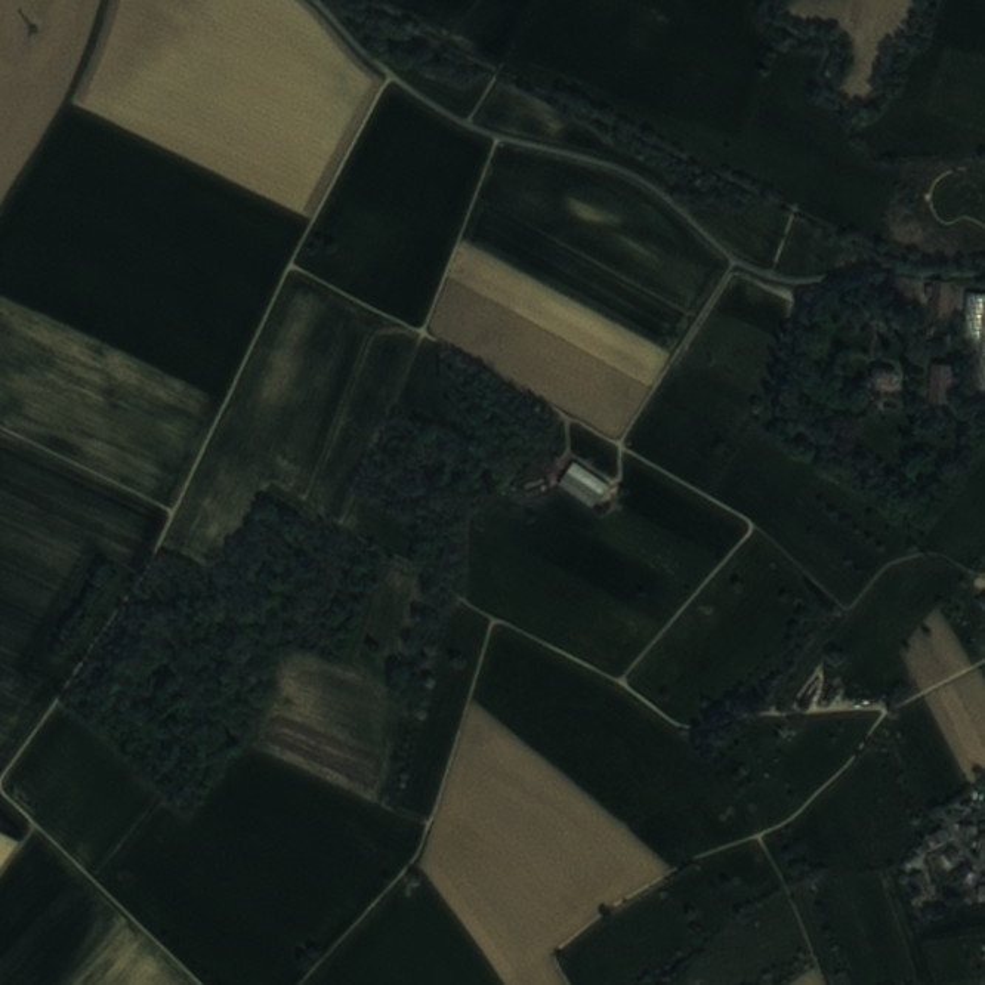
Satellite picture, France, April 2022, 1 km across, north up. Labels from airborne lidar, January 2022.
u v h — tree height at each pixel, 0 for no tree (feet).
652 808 0
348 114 0
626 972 0
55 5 0
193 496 0
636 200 0
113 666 97
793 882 39
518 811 0
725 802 0
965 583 25
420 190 0
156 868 0
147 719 93
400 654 0
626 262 0
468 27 0
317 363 0
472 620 0
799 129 0
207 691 104
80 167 0
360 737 0
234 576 91
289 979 0
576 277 0
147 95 0
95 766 0
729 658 0
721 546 0
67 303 0
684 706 0
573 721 0
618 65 0
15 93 0
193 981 0
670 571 0
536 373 0
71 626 51
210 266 0
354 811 0
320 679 0
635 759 0
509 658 0
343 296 0
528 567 0
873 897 0
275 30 0
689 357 0
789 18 40
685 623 0
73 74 0
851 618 0
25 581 0
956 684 0
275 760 0
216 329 0
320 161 0
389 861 0
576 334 0
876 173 0
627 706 0
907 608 0
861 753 24
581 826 0
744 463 0
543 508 0
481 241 0
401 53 77
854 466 92
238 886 0
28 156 0
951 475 62
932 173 0
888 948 0
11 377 0
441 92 0
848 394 58
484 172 0
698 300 0
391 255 0
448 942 0
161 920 0
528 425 96
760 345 0
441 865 0
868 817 0
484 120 0
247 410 0
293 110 0
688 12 0
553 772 0
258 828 0
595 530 0
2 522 0
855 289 68
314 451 0
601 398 0
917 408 54
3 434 0
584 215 0
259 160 0
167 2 0
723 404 0
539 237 0
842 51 38
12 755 0
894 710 41
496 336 0
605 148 0
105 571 56
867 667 0
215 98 0
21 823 0
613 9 0
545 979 0
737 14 0
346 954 0
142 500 0
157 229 0
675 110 0
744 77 0
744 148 0
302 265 0
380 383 0
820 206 0
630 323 0
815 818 0
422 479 64
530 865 0
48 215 0
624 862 0
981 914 0
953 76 0
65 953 0
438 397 0
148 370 0
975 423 77
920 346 89
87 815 0
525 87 44
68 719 0
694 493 0
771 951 0
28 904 0
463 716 0
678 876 21
